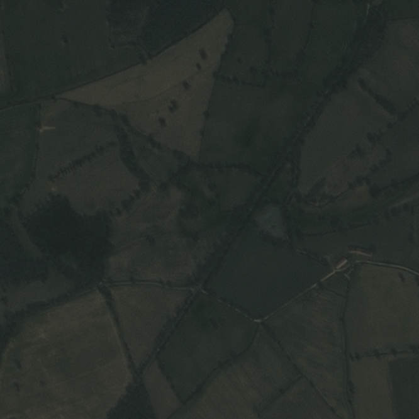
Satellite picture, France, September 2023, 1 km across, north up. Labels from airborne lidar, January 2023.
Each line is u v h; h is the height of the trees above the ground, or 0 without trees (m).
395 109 13
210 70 0
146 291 0
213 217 0
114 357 0
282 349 11
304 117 9
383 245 0
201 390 10
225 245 23
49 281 0
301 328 0
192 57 0
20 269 22
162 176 0
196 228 0
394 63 0
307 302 0
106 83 0
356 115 0
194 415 0
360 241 0
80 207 0
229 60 0
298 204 0
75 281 16
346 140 0
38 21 0
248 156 0
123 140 16
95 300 0
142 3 0
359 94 0
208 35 0
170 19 17
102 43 0
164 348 17
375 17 15
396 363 0
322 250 0
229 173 0
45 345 0
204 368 0
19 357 0
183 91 0
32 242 14
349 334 0
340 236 0
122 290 0
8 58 11
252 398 0
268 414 0
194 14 16
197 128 0
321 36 0
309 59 0
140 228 0
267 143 0
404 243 0
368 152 0
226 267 0
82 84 0
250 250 0
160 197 0
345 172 0
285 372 0
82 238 8
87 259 10
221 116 0
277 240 10
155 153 0
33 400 0
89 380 0
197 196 0
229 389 0
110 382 0
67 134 0
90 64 0
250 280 0
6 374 0
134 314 0
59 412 0
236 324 0
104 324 0
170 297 0
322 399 0
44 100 0
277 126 0
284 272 0
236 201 0
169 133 0
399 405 0
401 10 0
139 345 0
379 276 0
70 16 0
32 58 0
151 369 0
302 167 0
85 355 0
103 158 0
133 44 11
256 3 0
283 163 21
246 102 0
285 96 0
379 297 0
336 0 0
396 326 0
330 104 0
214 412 0
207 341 0
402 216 0
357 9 0
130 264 0
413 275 0
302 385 0
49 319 0
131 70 0
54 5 0
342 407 0
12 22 0
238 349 0
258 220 0
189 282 17
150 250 0
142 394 18
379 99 17
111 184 0
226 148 0
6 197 0
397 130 0
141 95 0
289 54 0
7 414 0
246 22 0
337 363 0
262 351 0
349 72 19
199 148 0
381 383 0
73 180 0
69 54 0
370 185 10
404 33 0
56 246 9
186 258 0
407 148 0
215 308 0
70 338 0
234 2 0
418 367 0
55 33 0
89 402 0
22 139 0
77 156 0
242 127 0
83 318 0
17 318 14
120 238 0
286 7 0
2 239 17
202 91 0
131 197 10
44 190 0
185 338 0
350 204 0
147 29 12
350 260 0
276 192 0
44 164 0
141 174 17
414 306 0
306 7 0
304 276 0
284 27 0
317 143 0
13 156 0
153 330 0
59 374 0
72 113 0
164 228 0
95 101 0
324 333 0
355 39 11
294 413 0
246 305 0
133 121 0
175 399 0
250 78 0
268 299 0
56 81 0
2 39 0
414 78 0
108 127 0
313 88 0
